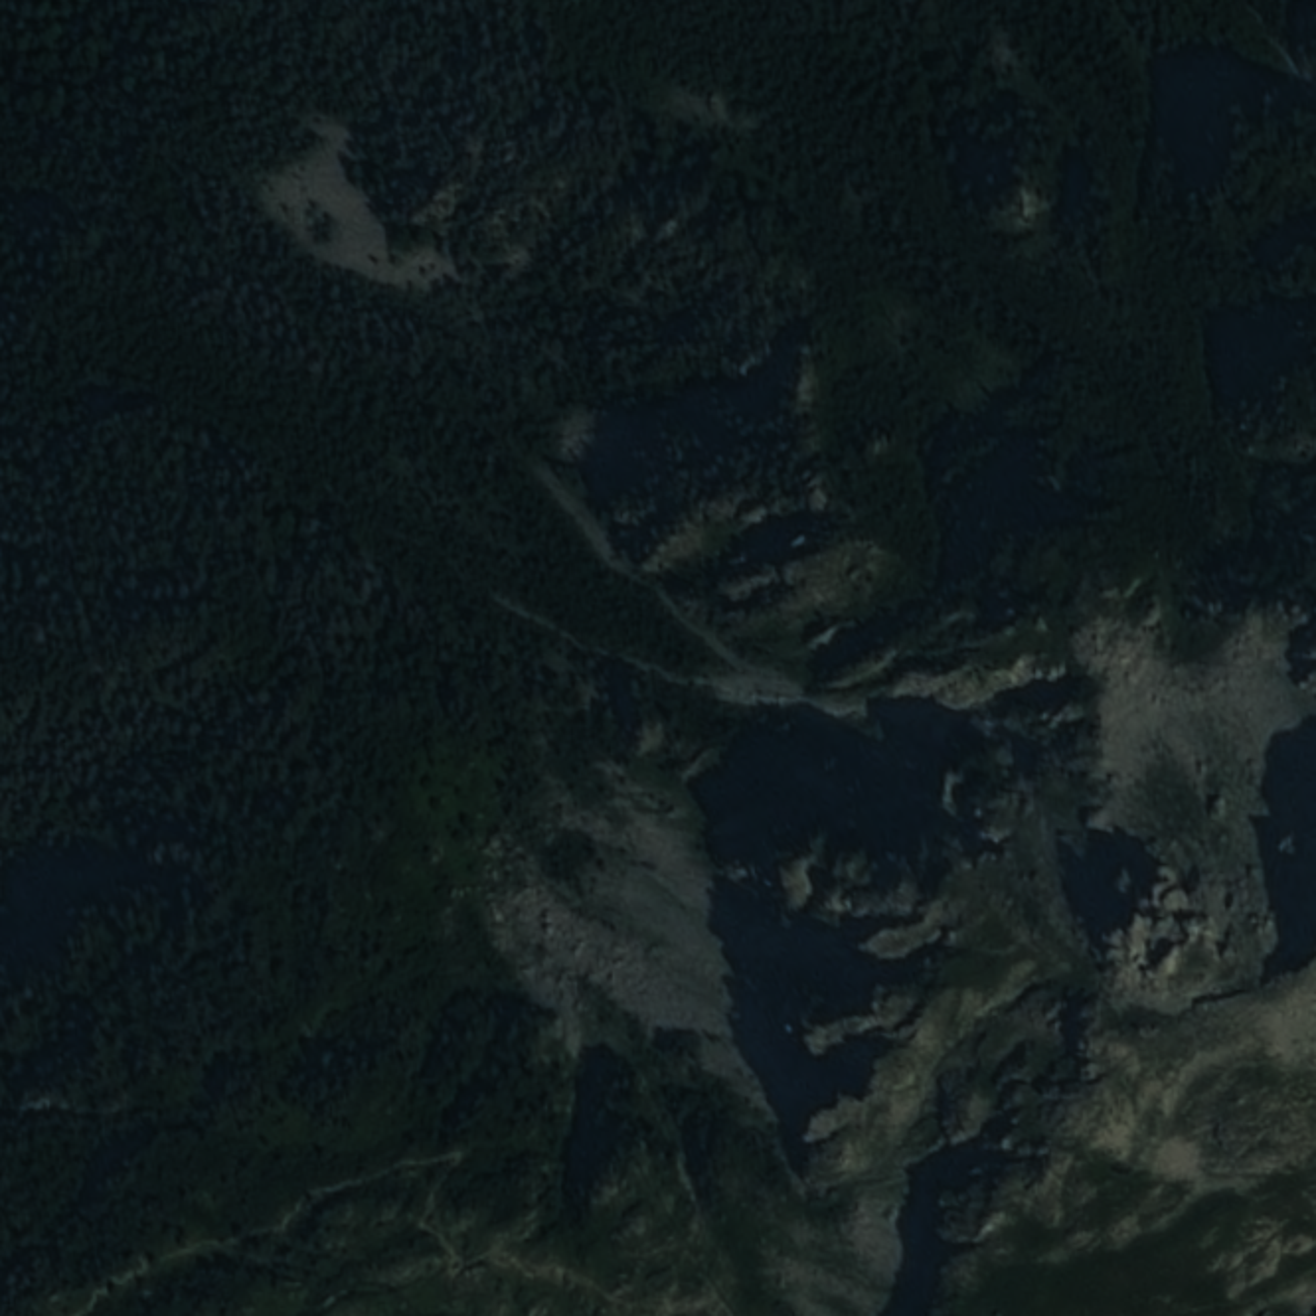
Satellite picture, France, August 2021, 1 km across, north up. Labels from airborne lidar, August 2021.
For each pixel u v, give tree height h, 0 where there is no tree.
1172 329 6
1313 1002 0
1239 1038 0
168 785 8
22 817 23
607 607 6
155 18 21
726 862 7
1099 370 6
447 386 24
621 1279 0
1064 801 0
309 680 14
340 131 0
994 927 0
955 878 0
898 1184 0
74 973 8
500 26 15
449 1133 6
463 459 9
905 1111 0
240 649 8
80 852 15
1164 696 0
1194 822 0
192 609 13
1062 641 0
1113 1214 0
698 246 9
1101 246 12
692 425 10
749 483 7
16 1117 14
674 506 8
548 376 12
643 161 7
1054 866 0
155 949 10
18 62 25
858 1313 0
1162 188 6
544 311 15
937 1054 0
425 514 8
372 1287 0
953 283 7
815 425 7
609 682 12
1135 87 9
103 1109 8
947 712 0
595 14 6
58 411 25
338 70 8
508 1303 0
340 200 0
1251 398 8
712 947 0
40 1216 7
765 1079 0
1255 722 0
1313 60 7
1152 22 11
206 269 29
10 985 29
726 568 6
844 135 5
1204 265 5
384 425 7
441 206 8
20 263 11
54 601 23
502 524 9
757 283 13
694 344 12
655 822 0
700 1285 0
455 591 8
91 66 22
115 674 9
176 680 22
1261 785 0
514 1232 0
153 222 11
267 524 14
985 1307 0
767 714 8
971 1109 0
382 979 7
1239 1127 0
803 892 0
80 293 13
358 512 6
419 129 19
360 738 9
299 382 8
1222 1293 0
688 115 0
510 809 8
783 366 8
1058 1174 0
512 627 8
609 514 14
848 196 7
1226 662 0
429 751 10
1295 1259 0
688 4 13
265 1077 11
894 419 7
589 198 18
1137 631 0
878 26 9
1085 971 0
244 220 19
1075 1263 0
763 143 8
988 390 0
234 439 5
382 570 9
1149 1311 0
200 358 9
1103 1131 0
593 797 0
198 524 12
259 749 16
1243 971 0
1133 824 0
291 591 26
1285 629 0
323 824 9
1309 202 7
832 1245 0
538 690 16
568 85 19
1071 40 7
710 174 22
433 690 18
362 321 27
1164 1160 0
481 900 0
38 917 21
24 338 18
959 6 6
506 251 8
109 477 13
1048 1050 0
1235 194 7
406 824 7
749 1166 0
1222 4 6
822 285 7
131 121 15
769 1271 0
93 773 33
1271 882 0
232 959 6
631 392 7
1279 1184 0
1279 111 8
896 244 7
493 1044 8
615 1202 0
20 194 10
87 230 12
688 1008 0
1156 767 0
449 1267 0
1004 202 10
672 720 14
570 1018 0
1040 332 13
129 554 11
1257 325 5
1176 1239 0
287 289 19
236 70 17
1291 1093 0
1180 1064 0
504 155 9
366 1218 0
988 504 0
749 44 7
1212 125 19
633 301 6
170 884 17
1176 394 6
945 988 0
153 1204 9
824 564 0
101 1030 10
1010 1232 0
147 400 10
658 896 0
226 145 12
